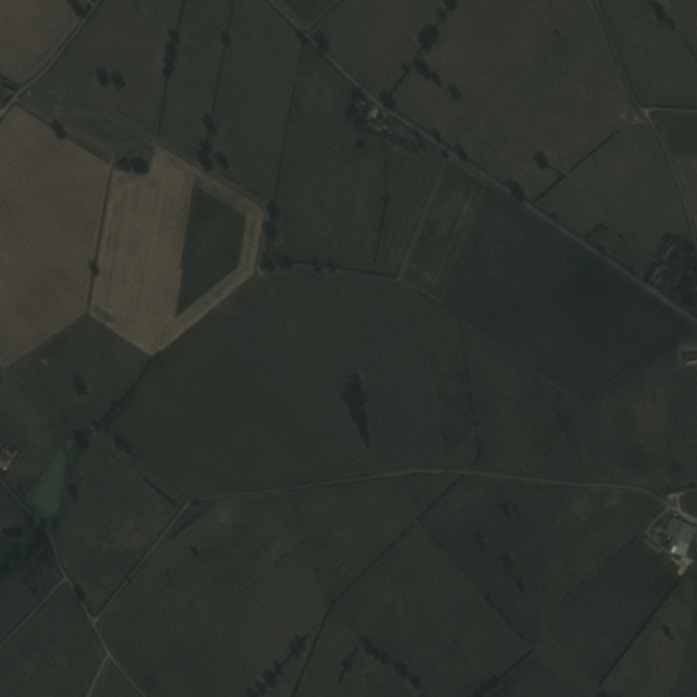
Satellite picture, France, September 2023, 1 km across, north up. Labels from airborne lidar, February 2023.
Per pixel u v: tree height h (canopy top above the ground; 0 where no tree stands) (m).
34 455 0
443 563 0
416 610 0
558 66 0
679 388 0
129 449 12
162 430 0
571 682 0
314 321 0
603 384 0
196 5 0
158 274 0
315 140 0
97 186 0
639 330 0
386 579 0
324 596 0
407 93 0
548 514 0
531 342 0
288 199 0
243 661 0
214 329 0
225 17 0
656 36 0
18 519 0
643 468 0
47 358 0
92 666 0
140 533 0
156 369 0
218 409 0
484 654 0
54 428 0
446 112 0
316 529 0
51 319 0
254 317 0
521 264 0
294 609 0
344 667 7
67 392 0
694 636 0
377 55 0
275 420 0
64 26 0
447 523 0
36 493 0
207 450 0
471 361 0
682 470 0
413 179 0
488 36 0
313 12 0
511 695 0
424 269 0
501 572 0
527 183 0
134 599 0
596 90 0
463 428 0
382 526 0
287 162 0
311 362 0
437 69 0
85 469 0
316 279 0
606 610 0
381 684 0
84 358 0
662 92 0
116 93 0
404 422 0
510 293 0
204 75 0
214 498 0
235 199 0
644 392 0
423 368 0
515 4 0
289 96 0
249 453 0
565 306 0
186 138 0
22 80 0
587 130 0
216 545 0
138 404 0
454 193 0
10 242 0
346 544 0
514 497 0
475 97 0
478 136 0
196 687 0
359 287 0
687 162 0
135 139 0
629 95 0
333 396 0
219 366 0
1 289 0
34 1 0
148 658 0
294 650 15
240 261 0
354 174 0
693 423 0
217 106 0
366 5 0
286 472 0
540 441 0
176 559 0
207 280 0
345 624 0
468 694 0
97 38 0
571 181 0
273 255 0
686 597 0
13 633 0
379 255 0
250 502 0
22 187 0
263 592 0
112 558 0
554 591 0
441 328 0
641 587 0
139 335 0
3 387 0
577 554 0
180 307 0
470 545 0
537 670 0
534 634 0
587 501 0
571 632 0
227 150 0
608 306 0
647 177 0
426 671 0
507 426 0
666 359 0
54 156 0
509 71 0
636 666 0
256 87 0
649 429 0
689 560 0
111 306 0
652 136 0
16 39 0
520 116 0
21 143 0
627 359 0
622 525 0
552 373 0
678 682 0
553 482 0
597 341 0
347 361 0
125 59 0
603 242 0
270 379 0
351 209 0
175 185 0
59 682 0
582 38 0
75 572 0
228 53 0
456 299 0
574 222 0
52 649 0
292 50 0
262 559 0
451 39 0
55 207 0
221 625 0
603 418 0
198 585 0
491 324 0
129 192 0
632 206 0
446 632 0
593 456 0
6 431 0
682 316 0
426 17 0
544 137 0
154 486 0
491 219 0
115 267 0
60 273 0
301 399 0
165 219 0
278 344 0
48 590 0
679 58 0
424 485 0
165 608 0
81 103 0
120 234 0
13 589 0
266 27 0
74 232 0
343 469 0
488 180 0
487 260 0
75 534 0
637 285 0
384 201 8
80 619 0
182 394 0
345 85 0
